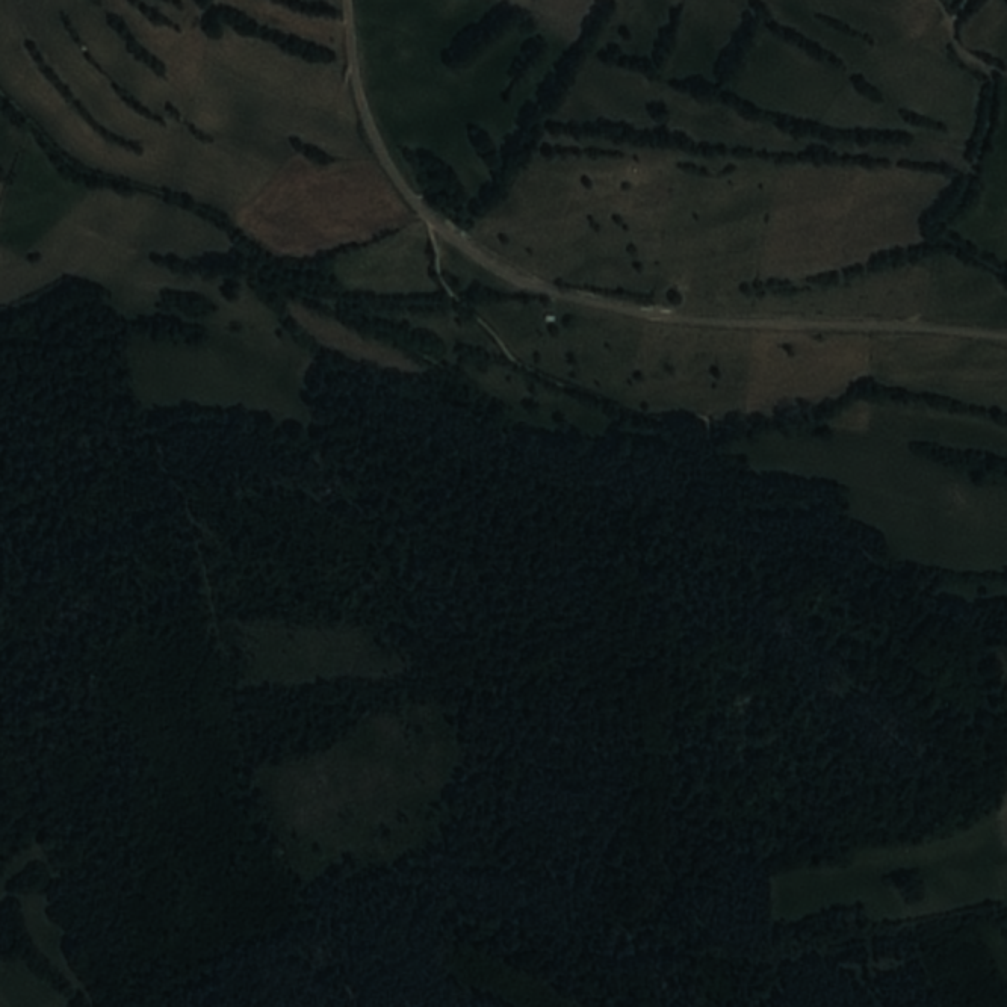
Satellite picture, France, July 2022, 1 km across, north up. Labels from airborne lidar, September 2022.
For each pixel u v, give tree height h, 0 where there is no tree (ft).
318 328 0
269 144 0
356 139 0
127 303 0
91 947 40
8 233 0
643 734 72
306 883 31
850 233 0
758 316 0
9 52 0
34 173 0
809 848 67
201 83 0
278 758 45
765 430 56
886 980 40
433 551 46
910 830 36
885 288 0
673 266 0
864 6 0
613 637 61
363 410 88
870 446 0
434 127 0
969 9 37
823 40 0
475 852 24
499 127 0
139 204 0
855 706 61
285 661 0
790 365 0
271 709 38
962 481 0
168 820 27
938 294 0
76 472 46
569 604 56
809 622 38
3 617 71
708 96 67
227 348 0
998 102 36
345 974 63
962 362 0
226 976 74
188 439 73
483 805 35
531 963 56
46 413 64
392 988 68
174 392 0
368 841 0
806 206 0
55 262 0
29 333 82
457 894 73
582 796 78
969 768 39
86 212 0
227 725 19
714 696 36
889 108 0
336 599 32
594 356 0
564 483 51
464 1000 84
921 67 0
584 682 30
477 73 0
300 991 71
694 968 83
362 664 0
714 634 45
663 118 43
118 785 52
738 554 40
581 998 51
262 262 26
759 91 0
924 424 0
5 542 80
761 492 74
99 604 65
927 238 47
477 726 53
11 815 51
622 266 0
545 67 0
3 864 29
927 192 0
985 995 37
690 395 0
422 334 46
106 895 31
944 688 17
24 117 45
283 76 0
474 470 73
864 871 0
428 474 65
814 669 66
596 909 69
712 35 0
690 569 38
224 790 21
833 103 0
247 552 21
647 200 0
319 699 27
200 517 25
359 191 0
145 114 43
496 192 54
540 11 0
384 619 22
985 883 0
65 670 75
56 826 33
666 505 79
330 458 24
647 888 91
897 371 0
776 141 0
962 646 26
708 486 64
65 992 33
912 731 65
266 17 0
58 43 0
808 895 0
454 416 92
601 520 55
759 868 73
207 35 40
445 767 0
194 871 31
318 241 0
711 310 0
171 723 22
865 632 27
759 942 87
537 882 90
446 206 30
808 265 0
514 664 46
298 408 0
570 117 0
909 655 26
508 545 64
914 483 0
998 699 68
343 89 0
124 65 0
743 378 0
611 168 0
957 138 0
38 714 93
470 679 58
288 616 48
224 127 0
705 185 0
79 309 87
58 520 48
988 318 0
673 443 66
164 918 24
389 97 0
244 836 31
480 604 50
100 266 0
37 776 30
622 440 88
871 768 49
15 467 89
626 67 30
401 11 0
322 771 0
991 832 0
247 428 70
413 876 61
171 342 44
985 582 22
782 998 83
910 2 0
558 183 0
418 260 0
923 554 0
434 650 86
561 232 0
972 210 50
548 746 49
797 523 66
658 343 0
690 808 83
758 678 46
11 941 43
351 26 0
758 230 0
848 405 30
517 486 79
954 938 19
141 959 24
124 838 43
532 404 51
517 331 0
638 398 0
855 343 0
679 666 67
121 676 21
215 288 0
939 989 21
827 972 79
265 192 0
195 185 0
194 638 29
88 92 0
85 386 58
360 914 32
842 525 62
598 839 82
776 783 37
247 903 33
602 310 0
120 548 81
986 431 0
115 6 0
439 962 74
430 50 0
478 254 0
